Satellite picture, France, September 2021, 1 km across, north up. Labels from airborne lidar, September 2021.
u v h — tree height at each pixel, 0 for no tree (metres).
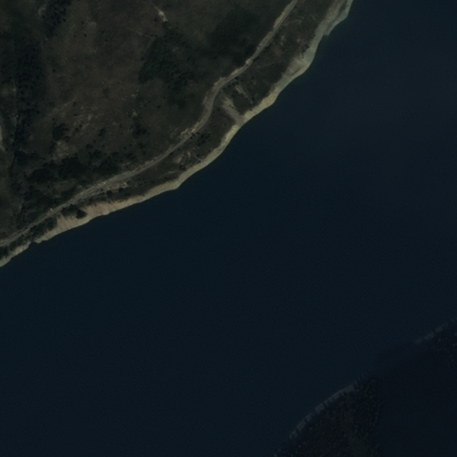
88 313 0
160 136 0
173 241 0
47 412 0
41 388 0
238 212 0
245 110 0
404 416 0
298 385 0
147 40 0
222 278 0
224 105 0
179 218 0
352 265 0
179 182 0
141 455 0
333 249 0
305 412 0
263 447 0
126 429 0
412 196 0
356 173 0
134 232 0
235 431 0
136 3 0
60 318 0
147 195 0
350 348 0
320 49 0
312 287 0
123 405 0
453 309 0
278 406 0
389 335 0
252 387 0
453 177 0
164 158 0
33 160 11
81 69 0
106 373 0
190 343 0
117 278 0
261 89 0
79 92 0
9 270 0
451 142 0
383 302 0
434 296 0
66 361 0
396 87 0
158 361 0
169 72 9
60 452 0
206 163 0
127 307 0
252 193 0
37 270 0
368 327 0
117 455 0
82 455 0
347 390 0
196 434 0
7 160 0
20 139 9
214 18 0
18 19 0
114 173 8
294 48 0
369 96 0
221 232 0
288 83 0
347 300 0
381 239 0
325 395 0
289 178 0
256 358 0
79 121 0
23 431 0
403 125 0
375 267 0
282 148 0
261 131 0
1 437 0
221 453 0
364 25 0
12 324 0
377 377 0
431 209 0
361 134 0
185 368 0
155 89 0
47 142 0
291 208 0
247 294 0
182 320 0
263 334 0
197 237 0
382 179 0
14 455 0
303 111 0
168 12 0
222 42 9
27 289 0
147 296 0
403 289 0
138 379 0
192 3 0
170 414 0
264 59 0
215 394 0
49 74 0
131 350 0
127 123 0
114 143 0
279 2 0
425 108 0
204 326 0
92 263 0
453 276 0
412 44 0
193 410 0
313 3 0
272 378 0
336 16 0
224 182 0
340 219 0
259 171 0
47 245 0
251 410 0
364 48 0
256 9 0
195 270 0
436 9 0
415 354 0
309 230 0
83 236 0
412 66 0
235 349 0
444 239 0
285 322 0
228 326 0
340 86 0
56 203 15
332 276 0
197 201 0
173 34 9
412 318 0
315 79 0
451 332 0
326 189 0
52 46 0
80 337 0
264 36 0
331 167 0
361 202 0
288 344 0
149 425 0
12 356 0
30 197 11
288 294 0
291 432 0
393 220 0
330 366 0
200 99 0
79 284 0
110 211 0
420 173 0
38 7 0
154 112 0
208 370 0
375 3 0
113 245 0
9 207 0
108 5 0
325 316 0
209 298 0
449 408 0
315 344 0
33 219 9
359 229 0
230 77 0
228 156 0
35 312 0
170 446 0
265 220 0
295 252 0
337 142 0
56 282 0
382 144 0
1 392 0
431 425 0
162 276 0
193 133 0
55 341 0
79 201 0
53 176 6
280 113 0
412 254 0
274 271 0
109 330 0
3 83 6
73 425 0
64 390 0
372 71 0
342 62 0
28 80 11
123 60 0
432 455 0
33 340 0
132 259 0
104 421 0
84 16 0
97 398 0
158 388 0
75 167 15
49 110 0
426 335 0
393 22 0
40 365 0
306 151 0
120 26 0
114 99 0
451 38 0
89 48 0
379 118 0
